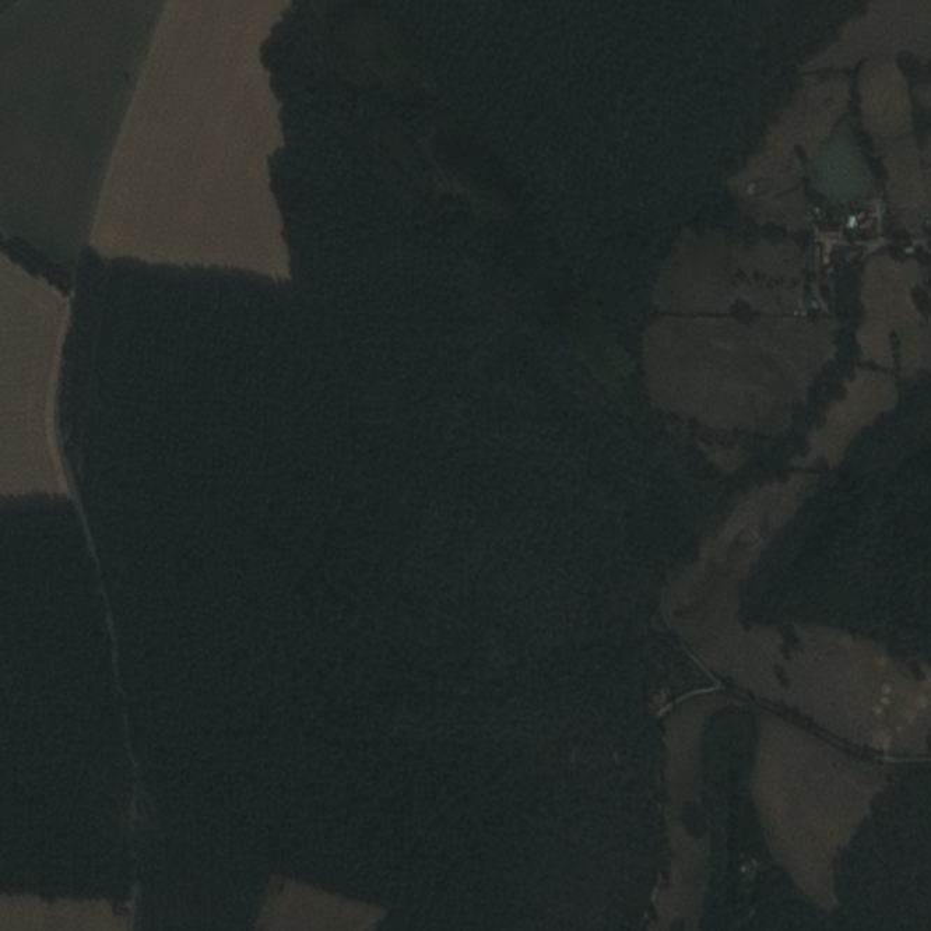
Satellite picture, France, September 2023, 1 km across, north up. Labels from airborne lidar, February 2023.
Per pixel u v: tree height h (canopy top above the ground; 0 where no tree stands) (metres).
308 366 23
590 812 13
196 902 0
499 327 15
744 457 0
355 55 0
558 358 23
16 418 0
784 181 0
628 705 16
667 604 0
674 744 0
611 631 11
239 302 25
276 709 26
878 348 0
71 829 25
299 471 23
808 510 9
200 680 24
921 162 0
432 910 27
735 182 0
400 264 31
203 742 26
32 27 0
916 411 22
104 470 21
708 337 0
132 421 23
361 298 30
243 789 23
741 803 14
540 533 29
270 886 0
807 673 0
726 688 10
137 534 26
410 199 16
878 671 0
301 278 22
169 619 27
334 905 0
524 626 25
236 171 0
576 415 23
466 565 15
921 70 11
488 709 22
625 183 28
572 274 24
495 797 26
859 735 0
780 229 7
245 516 26
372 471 30
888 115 0
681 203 25
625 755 11
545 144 28
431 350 32
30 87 0
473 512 13
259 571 24
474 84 32
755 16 19
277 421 24
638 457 27
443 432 21
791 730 0
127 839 0
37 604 17
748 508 0
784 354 0
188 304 26
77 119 0
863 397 0
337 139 24
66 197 0
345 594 16
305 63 18
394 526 28
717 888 11
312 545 24
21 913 0
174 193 0
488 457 38
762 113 20
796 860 0
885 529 7
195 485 27
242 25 0
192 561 24
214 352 26
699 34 28
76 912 0
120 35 0
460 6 29
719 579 0
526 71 31
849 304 18
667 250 18
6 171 0
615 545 15
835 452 0
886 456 16
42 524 22
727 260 0
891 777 9
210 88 0
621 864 0
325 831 24
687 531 16
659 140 28
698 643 0
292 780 25
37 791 24
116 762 20
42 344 0
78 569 26
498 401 35
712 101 27
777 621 8
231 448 23
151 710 21
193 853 24
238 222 0
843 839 0
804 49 13
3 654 21
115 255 0
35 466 0
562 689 18
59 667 22
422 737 25
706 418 0
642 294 16
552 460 16
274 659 22
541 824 13
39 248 0
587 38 27
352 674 18
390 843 24
